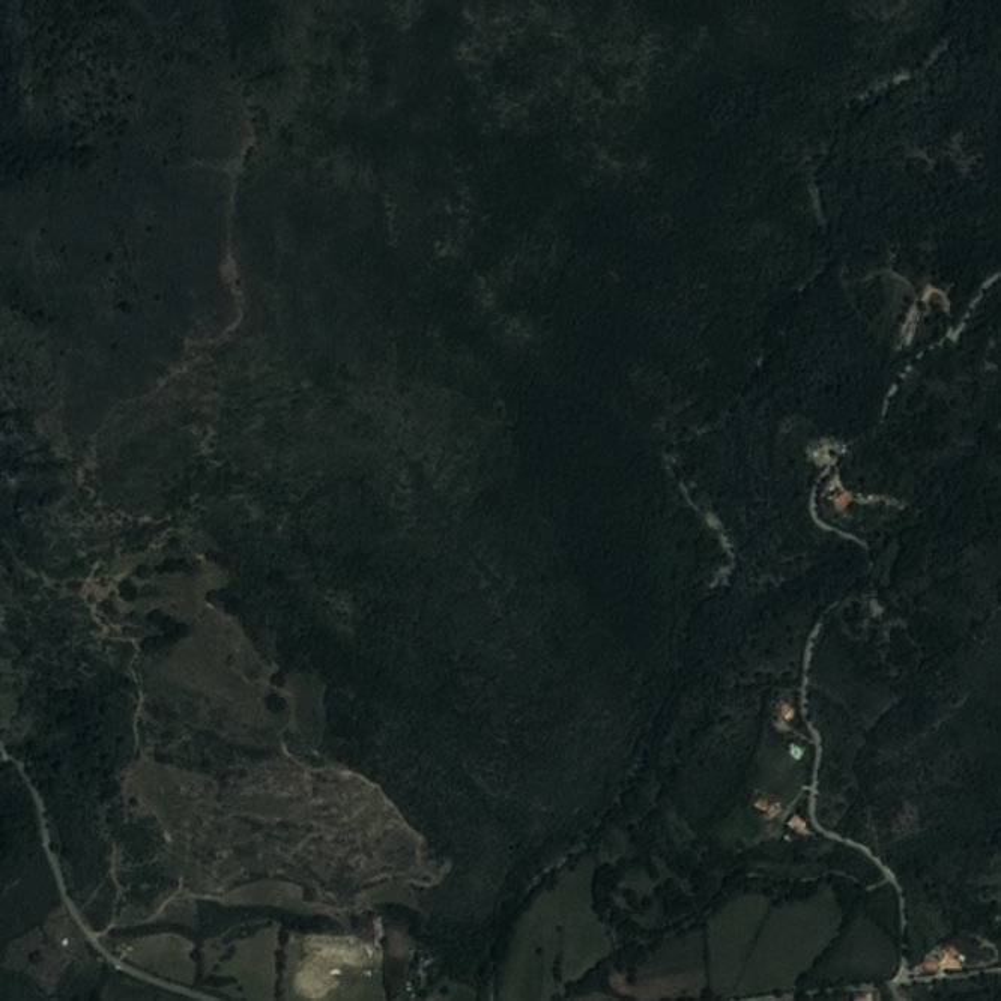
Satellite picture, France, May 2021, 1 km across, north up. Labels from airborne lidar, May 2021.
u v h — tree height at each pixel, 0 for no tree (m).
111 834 6
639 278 10
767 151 10
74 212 0
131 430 0
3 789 6
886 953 0
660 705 13
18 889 0
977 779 6
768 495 7
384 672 8
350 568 9
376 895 0
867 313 8
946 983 8
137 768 0
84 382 0
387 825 0
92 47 9
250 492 6
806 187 12
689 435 20
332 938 0
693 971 0
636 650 10
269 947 0
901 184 13
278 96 0
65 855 13
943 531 11
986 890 10
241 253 0
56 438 0
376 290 6
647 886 0
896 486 6
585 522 7
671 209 7
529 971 0
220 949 0
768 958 0
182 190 0
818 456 0
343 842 0
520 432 6
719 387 13
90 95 9
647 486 8
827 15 11
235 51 6
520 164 6
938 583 11
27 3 6
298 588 7
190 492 7
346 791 0
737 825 0
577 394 8
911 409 9
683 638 10
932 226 8
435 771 6
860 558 16
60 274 0
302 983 0
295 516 6
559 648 7
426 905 0
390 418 0
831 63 10
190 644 0
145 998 0
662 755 7
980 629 11
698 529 11
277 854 0
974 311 6
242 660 0
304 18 0
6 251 0
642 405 8
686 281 7
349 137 7
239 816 0
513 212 7
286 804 0
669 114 7
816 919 0
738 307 9
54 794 6
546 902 0
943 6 7
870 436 13
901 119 14
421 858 0
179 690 0
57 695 15
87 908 0
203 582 0
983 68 14
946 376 9
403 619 7
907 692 6
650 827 6
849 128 10
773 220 8
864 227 10
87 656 9
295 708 0
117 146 8
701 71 6
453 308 6
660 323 9
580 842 17
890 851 6
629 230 13
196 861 0
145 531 12
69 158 9
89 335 0
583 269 7
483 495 7
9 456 8
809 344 10
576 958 0
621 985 0
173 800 0
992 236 9
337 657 9
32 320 9
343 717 6
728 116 12
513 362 6
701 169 7
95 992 9
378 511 6
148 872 5
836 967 0
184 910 0
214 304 0
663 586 7
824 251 12
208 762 10
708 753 6
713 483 7
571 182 7
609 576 10
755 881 8
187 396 0
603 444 9
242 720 0
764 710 7
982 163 11
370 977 0
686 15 6
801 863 7
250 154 9
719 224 8
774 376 20
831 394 15
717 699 6
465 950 8
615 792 6
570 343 6
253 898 0
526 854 13
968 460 11
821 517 10
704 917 8
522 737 6
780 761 0
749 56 6
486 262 5
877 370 6
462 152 6
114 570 0
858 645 8
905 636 11
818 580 13
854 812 7
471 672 6
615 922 12
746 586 7
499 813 7
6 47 6
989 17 16
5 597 0
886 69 9
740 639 8
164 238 0
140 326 0
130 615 8
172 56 9
